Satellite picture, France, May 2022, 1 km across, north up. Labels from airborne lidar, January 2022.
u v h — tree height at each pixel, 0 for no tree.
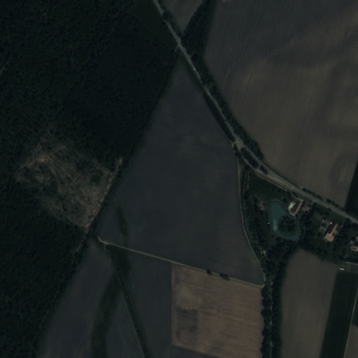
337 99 0
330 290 0
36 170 39
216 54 0
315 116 0
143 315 0
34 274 21
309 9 0
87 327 0
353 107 0
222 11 0
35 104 29
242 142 0
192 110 0
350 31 0
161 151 0
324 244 0
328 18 0
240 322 0
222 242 0
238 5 0
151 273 0
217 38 0
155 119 0
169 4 0
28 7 36
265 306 20
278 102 0
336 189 0
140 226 0
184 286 0
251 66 0
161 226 0
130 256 0
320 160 0
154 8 0
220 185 0
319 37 0
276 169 0
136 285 0
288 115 0
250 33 0
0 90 29
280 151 0
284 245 19
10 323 17
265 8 0
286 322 0
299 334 0
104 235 0
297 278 0
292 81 0
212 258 0
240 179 0
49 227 8
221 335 0
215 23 0
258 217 0
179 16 0
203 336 0
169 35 0
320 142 0
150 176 0
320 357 0
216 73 0
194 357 0
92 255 0
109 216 0
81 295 0
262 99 0
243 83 0
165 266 0
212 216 0
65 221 5
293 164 0
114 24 29
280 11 0
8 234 22
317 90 0
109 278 0
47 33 26
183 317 0
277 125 0
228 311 0
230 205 0
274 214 0
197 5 0
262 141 0
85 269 0
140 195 0
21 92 19
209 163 0
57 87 0
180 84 0
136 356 0
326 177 0
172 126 0
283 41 0
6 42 25
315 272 0
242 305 0
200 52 14
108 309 0
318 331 0
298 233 0
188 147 0
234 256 0
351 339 0
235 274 0
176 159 0
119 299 0
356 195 0
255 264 0
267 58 0
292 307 0
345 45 0
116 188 0
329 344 0
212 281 0
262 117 0
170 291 0
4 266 19
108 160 14
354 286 0
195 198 0
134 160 0
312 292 0
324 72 0
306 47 0
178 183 0
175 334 0
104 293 0
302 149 0
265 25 0
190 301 0
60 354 0
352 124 0
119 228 0
